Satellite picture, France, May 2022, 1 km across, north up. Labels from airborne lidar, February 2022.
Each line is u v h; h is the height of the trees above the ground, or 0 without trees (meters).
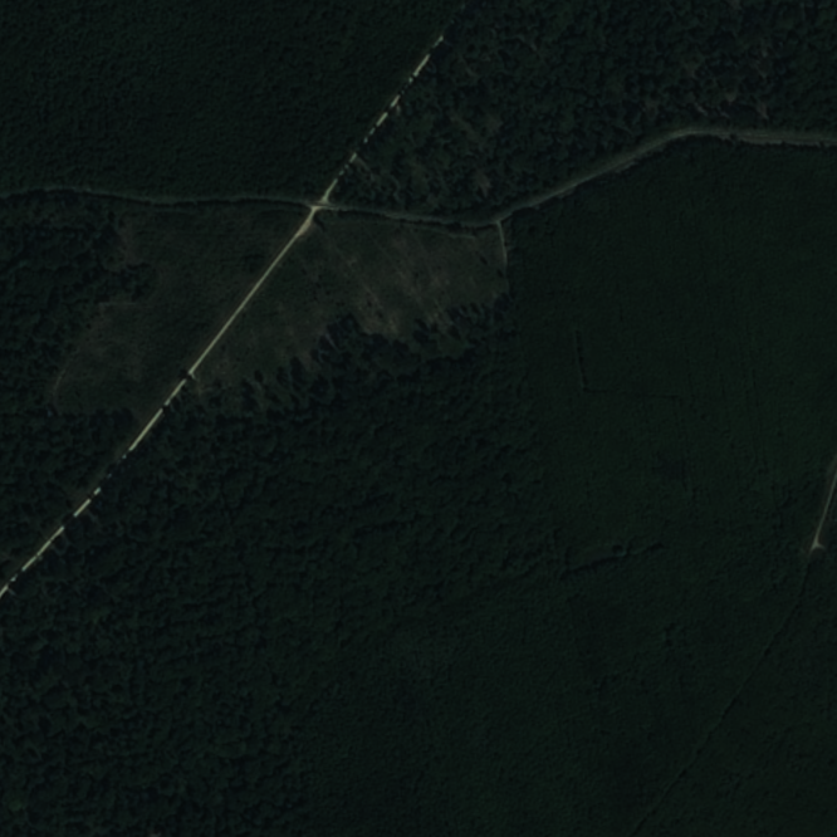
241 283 0
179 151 17
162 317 0
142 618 25
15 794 27
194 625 20
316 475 24
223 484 23
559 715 17
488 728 16
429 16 18
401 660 16
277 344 0
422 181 0
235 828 28
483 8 27
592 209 16
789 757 7
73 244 28
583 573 13
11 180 20
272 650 23
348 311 0
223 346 0
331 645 23
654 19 21
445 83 24
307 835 23
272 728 26
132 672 25
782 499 11
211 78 20
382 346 26
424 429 24
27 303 27
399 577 23
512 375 23
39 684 27
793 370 11
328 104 22
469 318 25
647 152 0
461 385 19
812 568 7
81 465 19
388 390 24
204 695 24
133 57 18
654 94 29
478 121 23
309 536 24
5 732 26
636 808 15
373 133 0
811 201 13
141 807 32
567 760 18
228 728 25
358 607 24
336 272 0
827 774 6
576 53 27
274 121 22
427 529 27
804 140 0
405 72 17
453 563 18
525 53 28
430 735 16
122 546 24
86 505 0
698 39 28
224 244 0
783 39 24
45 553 0
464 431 23
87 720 28
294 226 0
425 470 24
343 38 24
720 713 10
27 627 25
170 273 0
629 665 14
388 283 0
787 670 7
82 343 0
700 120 24
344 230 0
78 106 23
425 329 27
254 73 22
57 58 19
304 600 24
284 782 29
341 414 25
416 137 25
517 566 25
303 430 24
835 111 26
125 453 0
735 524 12
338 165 21
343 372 28
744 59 28
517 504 27
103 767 27
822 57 30
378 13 20
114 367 0
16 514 22
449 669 15
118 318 0
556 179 21
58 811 28
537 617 17
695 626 16
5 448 22
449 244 0
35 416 25
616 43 22
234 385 0
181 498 25
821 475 9
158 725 23
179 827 29
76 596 25
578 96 24
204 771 30
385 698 18
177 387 0
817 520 7
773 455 9
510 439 21
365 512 24
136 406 0
